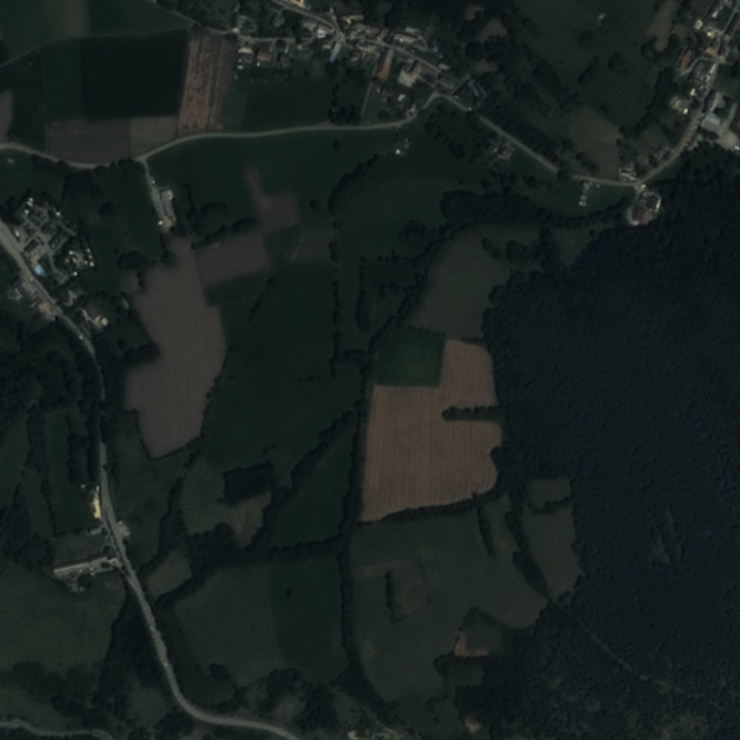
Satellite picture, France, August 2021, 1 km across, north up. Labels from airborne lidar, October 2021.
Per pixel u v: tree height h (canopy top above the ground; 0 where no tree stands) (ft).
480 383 0
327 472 0
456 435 0
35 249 0
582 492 44
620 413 50
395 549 0
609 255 69
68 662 0
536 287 57
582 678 38
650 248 71
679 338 47
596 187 0
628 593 54
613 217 32
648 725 25
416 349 0
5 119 0
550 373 51
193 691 0
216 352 0
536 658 39
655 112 46
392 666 0
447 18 75
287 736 0
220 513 0
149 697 0
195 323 0
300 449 0
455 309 0
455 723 0
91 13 0
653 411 42
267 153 0
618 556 46
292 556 55
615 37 0
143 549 0
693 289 61
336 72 21
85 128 0
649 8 0
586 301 44
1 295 0
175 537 24
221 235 39
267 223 0
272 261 0
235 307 0
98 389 58
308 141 0
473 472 0
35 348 45
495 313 42
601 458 51
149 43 0
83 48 0
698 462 45
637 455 52
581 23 0
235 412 0
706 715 26
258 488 48
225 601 0
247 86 0
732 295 59
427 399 0
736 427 32
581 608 33
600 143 0
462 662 29
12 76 0
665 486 48
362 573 0
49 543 35
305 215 0
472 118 47
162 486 0
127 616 61
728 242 74
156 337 0
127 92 0
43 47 0
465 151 53
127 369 60
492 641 0
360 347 0
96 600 0
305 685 18
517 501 30
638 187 0
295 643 0
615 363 48
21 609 0
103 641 0
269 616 0
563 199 0
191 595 39
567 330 45
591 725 31
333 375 31
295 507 0
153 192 0
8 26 0
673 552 41
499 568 0
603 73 0
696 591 42
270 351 0
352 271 0
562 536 0
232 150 0
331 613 0
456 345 0
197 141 0
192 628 0
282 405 0
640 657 41
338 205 55
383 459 0
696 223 100
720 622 43
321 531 0
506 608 0
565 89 21
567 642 28
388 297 31
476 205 74
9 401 63
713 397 37
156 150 0
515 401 49
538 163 0
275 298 0
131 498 0
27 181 0
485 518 45
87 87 0
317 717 33
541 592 22
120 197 0
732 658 41
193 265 0
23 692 0
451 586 0
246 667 0
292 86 0
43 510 0
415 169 0
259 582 0
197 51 0
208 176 0
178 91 0
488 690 41
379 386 0
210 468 0
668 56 19
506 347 40
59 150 0
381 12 0
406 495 0
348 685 18
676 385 41
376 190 0
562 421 36
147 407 0
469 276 0
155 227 0
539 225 30
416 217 0
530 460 32
